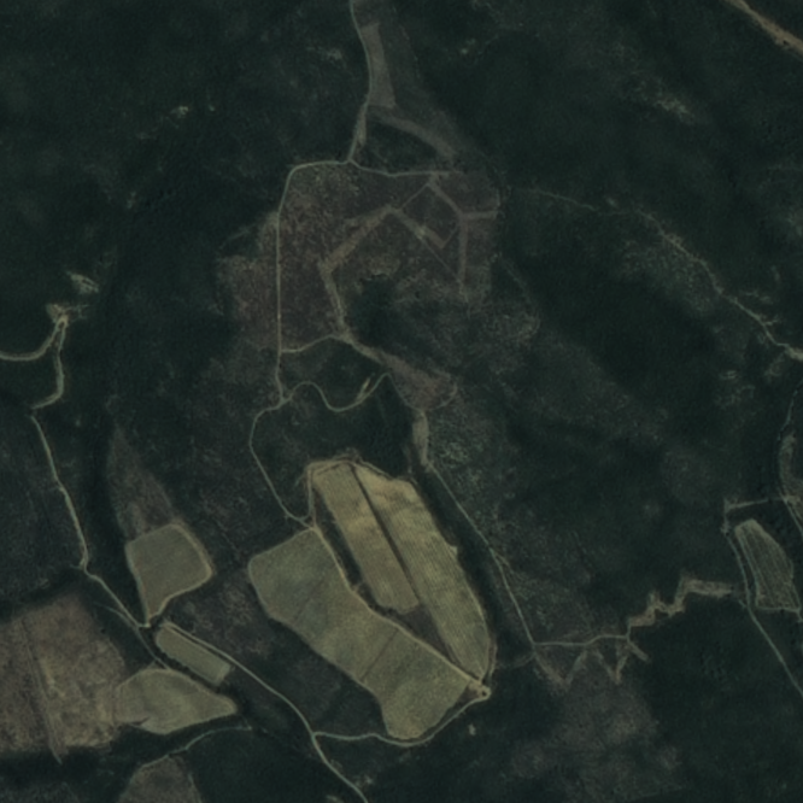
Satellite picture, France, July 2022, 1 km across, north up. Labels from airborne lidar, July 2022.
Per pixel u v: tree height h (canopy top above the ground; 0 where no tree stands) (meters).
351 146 0
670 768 0
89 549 6
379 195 0
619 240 6
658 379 6
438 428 0
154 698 0
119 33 5
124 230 6
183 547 0
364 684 0
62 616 0
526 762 0
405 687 0
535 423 7
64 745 0
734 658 5
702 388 5
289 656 0
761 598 0
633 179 6
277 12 6
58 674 0
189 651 0
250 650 0
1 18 6
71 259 7
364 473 0
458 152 0
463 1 6
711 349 6
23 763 5
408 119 0
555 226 5
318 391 0
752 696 6
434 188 0
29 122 8
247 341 0
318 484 0
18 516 7
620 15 6
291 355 0
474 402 0
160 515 0
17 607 0
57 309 0
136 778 0
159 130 5
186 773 0
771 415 6
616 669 0
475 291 0
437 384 0
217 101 7
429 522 0
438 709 0
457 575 0
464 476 0
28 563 8
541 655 0
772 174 8
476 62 8
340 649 0
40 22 8
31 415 11
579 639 0
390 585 0
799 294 7
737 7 0
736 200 5
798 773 6
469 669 0
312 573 0
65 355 8
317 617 0
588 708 0
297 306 0
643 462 7
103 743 0
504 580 0
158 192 8
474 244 0
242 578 0
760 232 7
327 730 0
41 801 6
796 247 7
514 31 6
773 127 10
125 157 7
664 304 9
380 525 0
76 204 8
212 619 0
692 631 6
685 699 6
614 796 7
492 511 0
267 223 0
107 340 7
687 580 0
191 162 6
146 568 0
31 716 0
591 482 7
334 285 0
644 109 6
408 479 0
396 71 0
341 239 0
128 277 6
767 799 8
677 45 6
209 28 6
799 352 0
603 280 9
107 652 0
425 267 0
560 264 8
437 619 0
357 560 0
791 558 7
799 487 0
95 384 7
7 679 0
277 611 0
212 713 0
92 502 6
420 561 0
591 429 6
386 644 0
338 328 0
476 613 0
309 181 0
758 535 0
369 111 0
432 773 6
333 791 6
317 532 0
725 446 6
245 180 5
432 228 0
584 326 6
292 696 0
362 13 0
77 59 5
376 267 0
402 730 0
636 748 0
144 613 0
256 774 6
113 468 0
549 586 0
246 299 0
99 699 0
